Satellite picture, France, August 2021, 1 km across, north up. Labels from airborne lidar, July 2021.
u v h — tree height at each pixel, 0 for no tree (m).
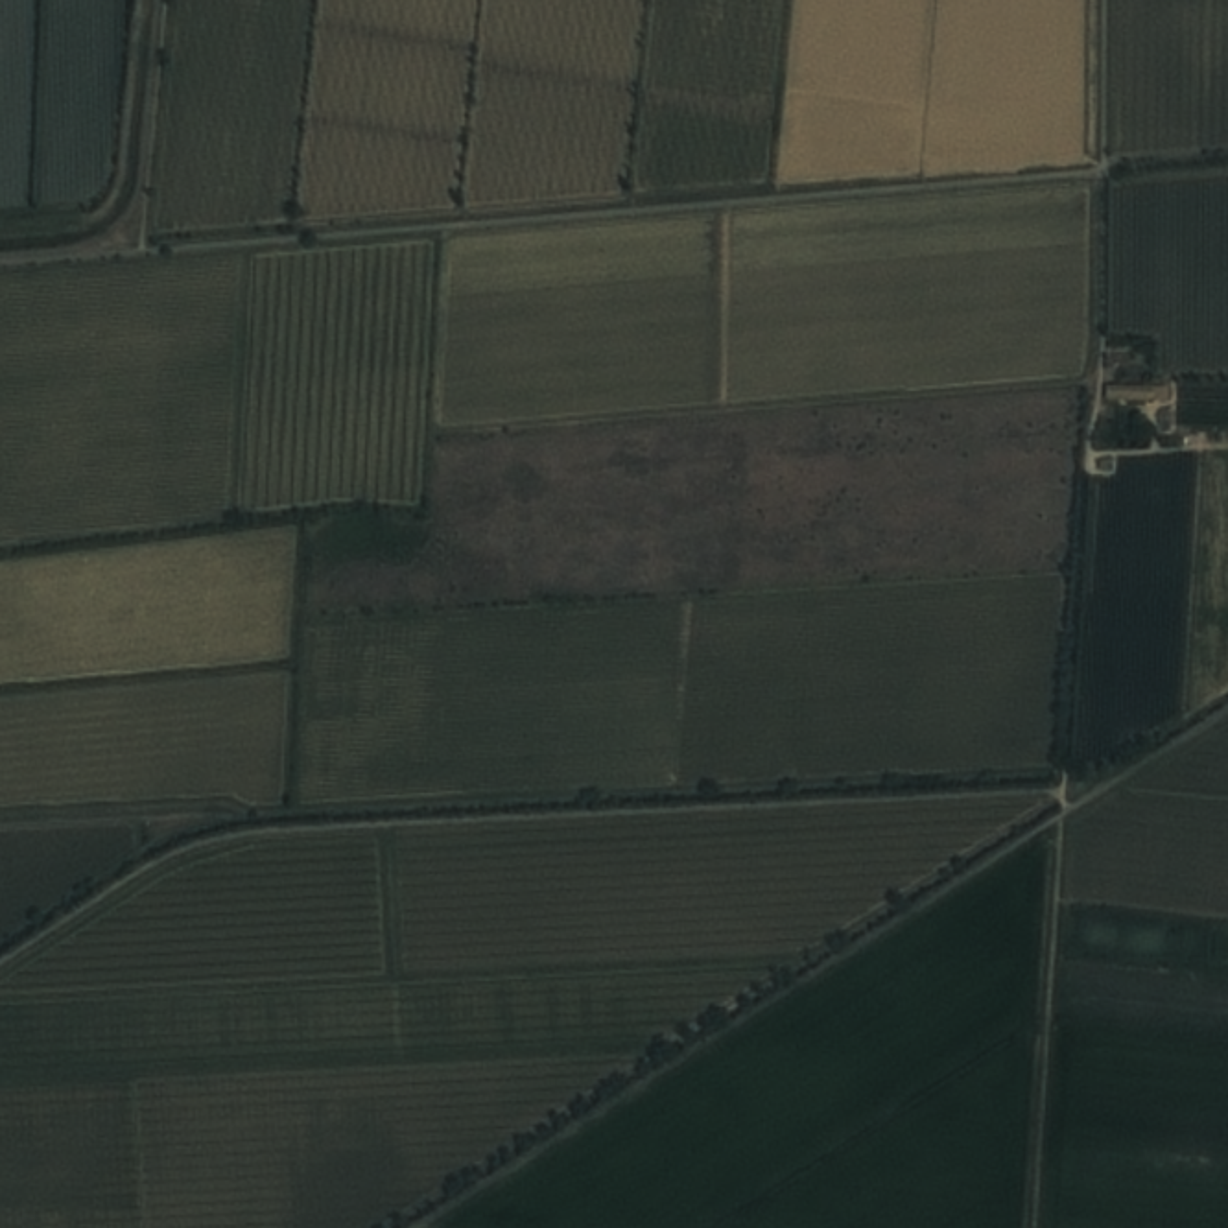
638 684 0
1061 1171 0
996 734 0
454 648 0
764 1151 0
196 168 0
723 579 0
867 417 0
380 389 0
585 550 0
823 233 0
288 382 0
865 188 0
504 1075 0
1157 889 0
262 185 0
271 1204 0
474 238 0
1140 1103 0
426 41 0
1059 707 13
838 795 11
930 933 0
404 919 0
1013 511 0
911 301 0
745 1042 0
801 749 0
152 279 0
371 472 0
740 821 0
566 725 0
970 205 0
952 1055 0
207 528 8
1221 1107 0
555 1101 0
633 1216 0
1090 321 0
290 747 0
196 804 0
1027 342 0
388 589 0
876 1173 0
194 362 0
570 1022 0
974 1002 0
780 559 0
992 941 0
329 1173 0
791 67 0
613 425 0
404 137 0
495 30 0
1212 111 0
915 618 0
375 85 0
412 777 0
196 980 0
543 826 0
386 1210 0
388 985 0
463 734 0
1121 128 0
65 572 0
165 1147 0
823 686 0
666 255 0
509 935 0
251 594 0
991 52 0
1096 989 0
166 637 0
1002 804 0
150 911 0
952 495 0
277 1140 0
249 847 0
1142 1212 0
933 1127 0
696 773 0
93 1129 0
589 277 0
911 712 0
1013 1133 0
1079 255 0
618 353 0
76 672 0
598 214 0
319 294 0
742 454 0
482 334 0
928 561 0
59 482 0
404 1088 0
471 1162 0
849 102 0
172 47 0
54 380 0
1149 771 0
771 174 0
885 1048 0
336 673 0
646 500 0
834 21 0
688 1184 0
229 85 0
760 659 0
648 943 0
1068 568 11
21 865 0
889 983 0
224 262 0
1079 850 0
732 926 0
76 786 0
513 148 0
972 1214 0
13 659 0
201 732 0
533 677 0
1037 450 0
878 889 0
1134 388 0
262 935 0
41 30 14
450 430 0
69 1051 0
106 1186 0
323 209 0
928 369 0
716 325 0
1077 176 0
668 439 0
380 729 0
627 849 0
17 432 0
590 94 0
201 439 0
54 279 0
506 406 0
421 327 0
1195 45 0
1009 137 0
